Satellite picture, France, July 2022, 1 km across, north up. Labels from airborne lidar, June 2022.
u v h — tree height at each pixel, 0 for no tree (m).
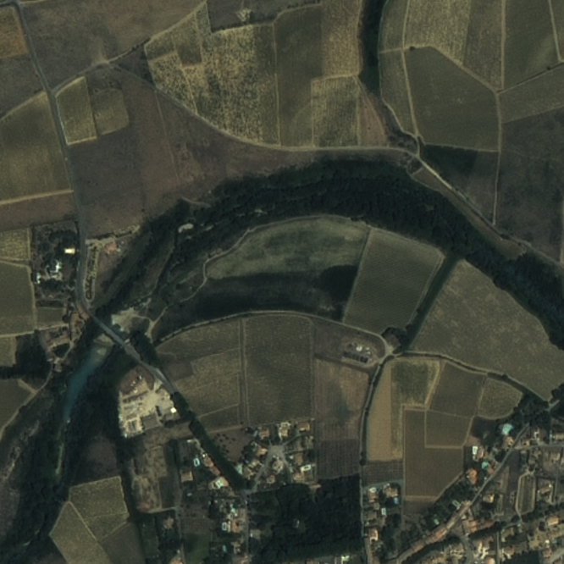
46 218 0
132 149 0
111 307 14
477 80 0
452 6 0
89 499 0
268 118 0
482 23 0
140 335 19
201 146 0
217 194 6
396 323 0
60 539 0
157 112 0
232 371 0
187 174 0
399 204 20
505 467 0
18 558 11
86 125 0
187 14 0
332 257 0
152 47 0
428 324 0
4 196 0
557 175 0
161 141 0
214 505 13
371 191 18
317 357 0
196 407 0
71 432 11
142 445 0
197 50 0
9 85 0
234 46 0
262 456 11
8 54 0
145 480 0
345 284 10
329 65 0
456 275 0
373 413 0
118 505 0
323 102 0
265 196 10
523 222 0
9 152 0
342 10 0
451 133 0
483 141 0
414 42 0
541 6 0
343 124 0
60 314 0
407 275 0
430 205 15
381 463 0
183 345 0
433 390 0
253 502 8
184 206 12
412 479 0
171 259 8
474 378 0
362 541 25
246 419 0
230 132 0
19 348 0
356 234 0
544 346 0
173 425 14
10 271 0
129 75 0
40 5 0
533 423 15
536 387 0
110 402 12
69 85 0
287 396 0
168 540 10
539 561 8
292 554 32
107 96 0
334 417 0
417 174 0
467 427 0
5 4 0
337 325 0
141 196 0
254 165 0
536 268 18
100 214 0
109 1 0
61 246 9
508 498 0
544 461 0
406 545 6
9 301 0
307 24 0
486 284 0
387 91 0
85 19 0
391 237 0
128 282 7
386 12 0
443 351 0
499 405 0
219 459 21
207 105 0
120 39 0
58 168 0
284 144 0
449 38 0
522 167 0
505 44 0
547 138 0
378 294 0
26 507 7
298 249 0
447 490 6
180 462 9
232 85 0
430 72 0
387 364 0
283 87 0
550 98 0
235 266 0
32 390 0
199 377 0
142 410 0
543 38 0
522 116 0
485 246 9
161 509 0
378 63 13
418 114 0
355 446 0
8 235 0
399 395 0
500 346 0
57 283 9
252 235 0
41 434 8
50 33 0
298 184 7
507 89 0
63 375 15
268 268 0
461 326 0
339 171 14
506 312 0
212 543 6
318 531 12
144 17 0
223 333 0
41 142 0
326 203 21
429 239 5
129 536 0
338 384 0
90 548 0
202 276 0
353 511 12
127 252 6
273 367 0
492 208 0
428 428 0
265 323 0
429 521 6
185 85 0
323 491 11
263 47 0
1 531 0
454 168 0
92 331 10
